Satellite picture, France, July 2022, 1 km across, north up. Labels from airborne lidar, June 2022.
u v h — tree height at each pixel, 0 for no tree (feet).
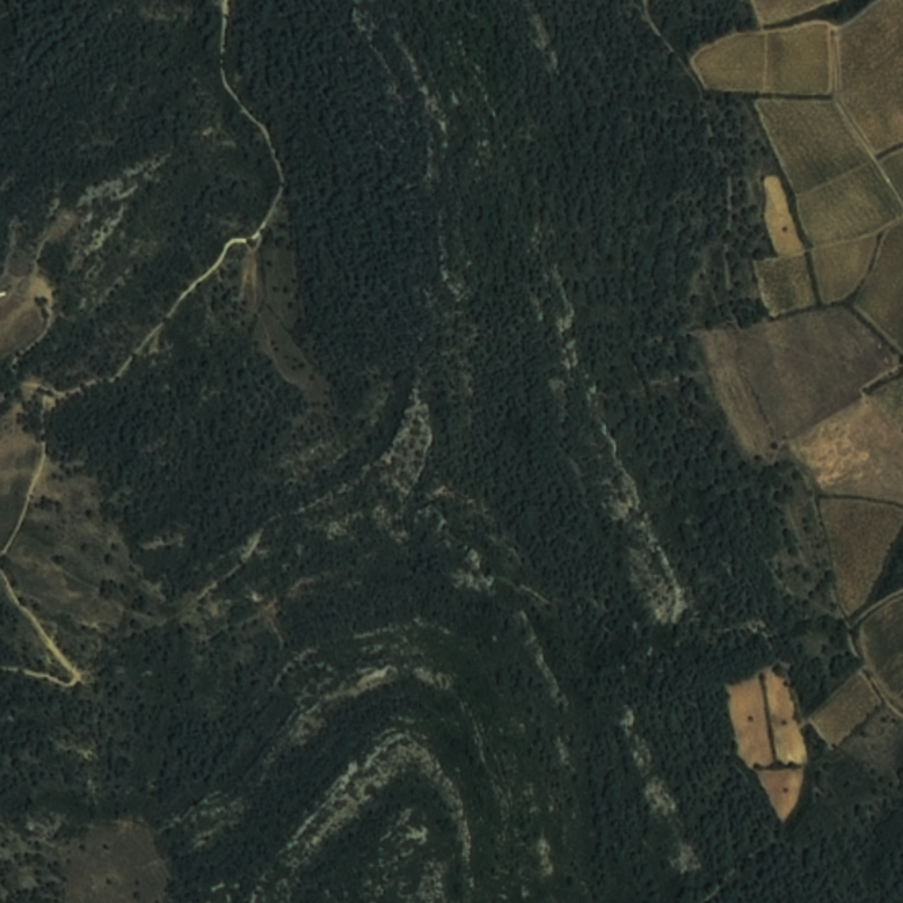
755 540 48
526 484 48
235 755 37
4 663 43
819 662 47
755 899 40
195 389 28
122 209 0
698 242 43
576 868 33
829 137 0
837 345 0
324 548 28
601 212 61
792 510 0
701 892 53
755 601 53
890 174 0
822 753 21
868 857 39
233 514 32
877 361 0
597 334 64
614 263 52
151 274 21
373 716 23
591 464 42
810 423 0
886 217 0
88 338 22
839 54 0
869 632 0
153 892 0
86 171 30
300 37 41
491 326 54
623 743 37
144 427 48
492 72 43
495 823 24
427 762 0
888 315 0
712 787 38
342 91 51
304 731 0
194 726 39
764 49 0
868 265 0
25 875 0
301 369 22
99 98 30
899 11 0
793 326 0
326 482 32
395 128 28
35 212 22
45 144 26
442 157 18
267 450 44
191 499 29
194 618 0
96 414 42
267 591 20
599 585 38
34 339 0
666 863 22
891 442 0
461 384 27
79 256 0
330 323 29
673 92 28
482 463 52
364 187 38
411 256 39
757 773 25
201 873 33
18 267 0
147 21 39
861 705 0
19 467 0
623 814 41
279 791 23
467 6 34
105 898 0
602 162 38
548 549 47
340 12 31
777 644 43
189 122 19
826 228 0
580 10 30
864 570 0
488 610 47
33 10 43
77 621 0
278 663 21
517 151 52
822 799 32
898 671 0
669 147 48
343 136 35
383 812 20
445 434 47
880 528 0
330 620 35
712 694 34
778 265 0
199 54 22
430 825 0
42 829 0
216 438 46
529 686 25
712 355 0
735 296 45
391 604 20
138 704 25
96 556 0
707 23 44
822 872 33
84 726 37
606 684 49
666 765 43
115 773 32
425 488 43
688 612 38
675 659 48
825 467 0
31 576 0
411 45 34
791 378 0
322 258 43
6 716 35
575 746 43
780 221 0
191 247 25
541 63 38
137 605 22
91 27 36
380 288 35
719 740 38
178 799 32
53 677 29
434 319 22
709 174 46
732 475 50
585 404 27
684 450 68
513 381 46
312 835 0
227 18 27
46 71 31
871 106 0
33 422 38
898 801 25
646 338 39
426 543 36
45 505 28
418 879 0
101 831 0
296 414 46
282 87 49
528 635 34
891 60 0
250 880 21
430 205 34
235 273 25
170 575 38
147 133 37
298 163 29
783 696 0
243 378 47
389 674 0
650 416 60
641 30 18
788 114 0
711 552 53
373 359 30
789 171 0
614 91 28
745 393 0
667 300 41
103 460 41
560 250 61
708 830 45
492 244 38
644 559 0
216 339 19
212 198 21
